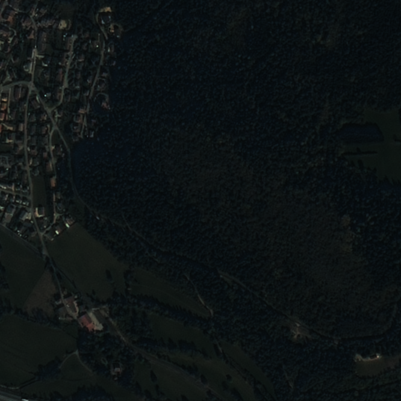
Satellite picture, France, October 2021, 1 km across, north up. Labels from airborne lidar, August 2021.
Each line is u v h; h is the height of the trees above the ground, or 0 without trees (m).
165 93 15
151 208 26
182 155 6
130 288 10
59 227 0
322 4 27
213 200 18
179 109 16
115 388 0
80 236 0
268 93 18
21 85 0
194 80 10
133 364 19
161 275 7
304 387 21
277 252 11
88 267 0
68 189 15
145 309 14
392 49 17
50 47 0
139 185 14
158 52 11
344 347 10
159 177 6
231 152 11
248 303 8
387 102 15
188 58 14
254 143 23
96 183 20
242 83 20
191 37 13
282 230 12
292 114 20
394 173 0
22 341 0
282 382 24
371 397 29
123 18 20
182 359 0
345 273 8
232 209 14
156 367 0
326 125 18
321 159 16
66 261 0
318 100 18
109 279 19
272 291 18
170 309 7
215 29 9
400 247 26
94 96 0
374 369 0
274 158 8
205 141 14
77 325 12
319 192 22
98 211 16
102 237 19
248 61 14
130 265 16
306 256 6
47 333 0
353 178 8
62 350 0
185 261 18
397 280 23
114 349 20
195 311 0
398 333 6
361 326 25
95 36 0
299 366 19
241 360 0
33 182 0
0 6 0
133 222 22
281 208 5
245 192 16
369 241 10
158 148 8
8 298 0
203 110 19
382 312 16
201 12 10
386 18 16
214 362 0
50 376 18
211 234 21
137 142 22
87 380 0
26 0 5
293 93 18
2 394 0
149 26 24
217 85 24
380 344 11
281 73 10
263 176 13
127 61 12
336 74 20
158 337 0
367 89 18
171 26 7
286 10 22
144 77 14
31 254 0
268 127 31
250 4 12
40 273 0
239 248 8
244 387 0
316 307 14
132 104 8
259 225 7
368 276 15
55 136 0
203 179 7
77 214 7
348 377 18
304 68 23
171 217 24
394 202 19
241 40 6
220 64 13
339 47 16
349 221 9
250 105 16
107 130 6
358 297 5
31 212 0
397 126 0
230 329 19
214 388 0
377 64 15
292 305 11
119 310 9
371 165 0
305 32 14
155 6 22
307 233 6
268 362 19
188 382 0
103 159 24
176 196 7
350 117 15
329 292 6
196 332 0
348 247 20
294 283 12
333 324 13
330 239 15
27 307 0
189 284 18
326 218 13
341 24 14
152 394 0
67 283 0
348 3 14
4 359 0
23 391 0
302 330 0
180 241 7
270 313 26
